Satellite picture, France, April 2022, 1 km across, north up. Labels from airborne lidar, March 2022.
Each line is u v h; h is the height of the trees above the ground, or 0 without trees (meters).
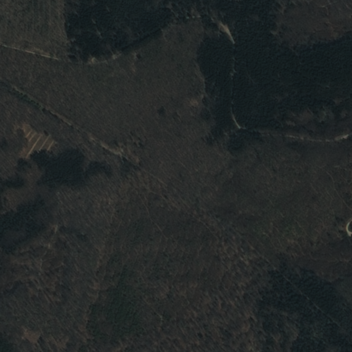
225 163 19
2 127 22
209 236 7
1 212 20
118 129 19
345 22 6
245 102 27
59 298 29
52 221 18
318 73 30
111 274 23
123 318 15
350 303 24
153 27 24
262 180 19
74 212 25
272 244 17
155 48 16
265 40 25
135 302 6
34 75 0
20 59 20
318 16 24
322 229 17
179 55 14
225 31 0
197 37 17
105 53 22
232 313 28
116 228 7
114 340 16
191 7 20
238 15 30
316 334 27
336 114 17
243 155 19
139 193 13
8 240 16
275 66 26
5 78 21
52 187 20
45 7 0
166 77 17
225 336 16
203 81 14
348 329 28
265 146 18
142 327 13
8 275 7
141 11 22
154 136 18
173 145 25
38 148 0
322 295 27
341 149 6
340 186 7
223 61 22
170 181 16
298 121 7
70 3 16
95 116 19
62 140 23
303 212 16
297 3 26
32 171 18
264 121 28
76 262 29
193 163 24
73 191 24
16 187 27
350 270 7
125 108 19
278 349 12
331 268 8
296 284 28
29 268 0
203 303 19
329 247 7
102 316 14
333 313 26
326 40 8
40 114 28
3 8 0
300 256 12
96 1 19
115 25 22
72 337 24
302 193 11
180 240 8
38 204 21
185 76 15
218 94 20
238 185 9
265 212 12
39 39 0
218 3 21
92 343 13
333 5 21
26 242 22
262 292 25
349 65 28
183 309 12
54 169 25
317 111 27
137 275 6
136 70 9
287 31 17
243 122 30
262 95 28
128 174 25
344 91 15
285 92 20
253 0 27
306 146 13
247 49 30
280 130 30
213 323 29
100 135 21
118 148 21
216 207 13
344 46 30
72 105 18
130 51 27
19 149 22
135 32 22
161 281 24
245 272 29
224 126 24
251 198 10
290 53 21
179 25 18
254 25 24
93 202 26
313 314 29
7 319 27
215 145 23
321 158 14
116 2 25
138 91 20
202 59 22
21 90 18
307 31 13
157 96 17
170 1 21
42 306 27
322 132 6
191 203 21
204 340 30
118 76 0
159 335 26
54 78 20
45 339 21
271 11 21
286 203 11
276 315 24
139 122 21
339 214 16
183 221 10
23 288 26
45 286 30
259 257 23
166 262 6
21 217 20
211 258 7
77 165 22
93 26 26
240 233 22
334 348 25
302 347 20
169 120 20
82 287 28
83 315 27
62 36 0
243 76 29
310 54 28
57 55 18
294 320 27
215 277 12
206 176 19
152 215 11
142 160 19
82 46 21
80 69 20
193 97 20
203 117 19
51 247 0
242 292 29
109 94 19
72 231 25
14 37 0
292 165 18
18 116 25
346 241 10
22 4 11
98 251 27
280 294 24
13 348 18
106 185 0
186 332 26
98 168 24
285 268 18
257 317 29
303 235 20
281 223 11
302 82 13
